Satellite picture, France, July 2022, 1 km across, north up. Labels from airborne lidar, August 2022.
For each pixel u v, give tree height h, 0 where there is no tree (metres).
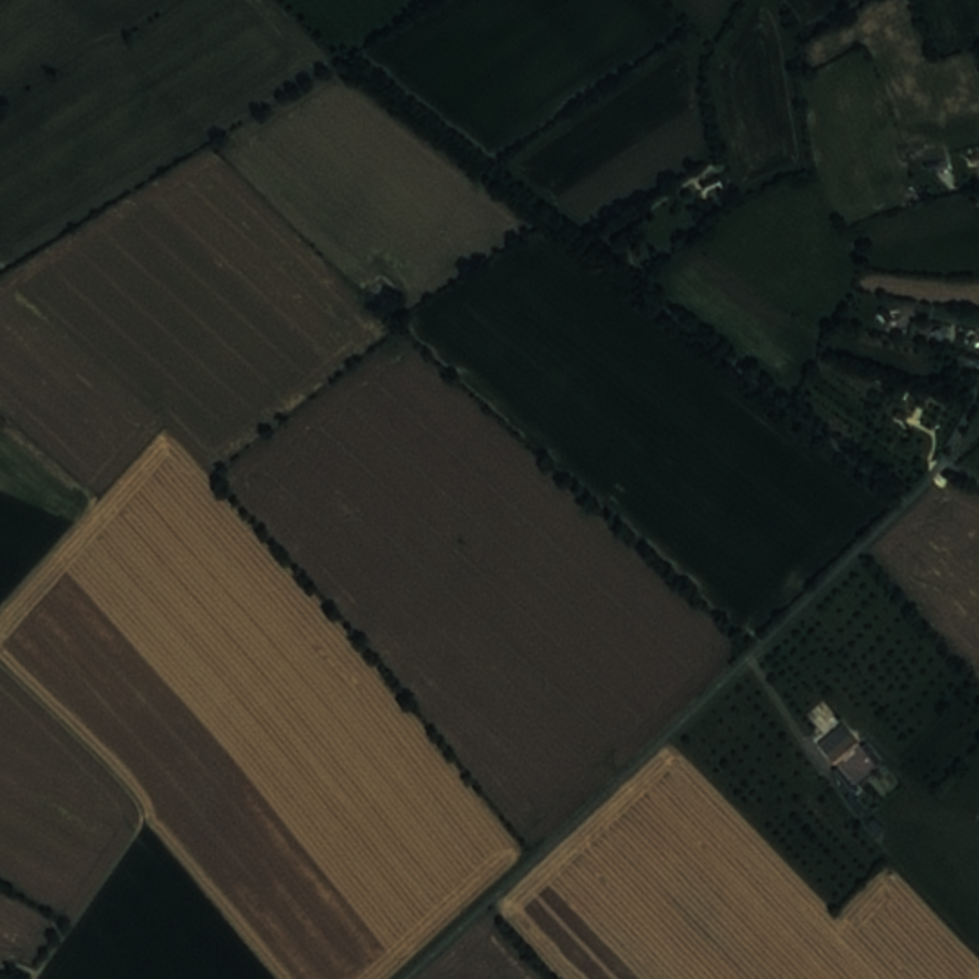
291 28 0
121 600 0
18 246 0
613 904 0
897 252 0
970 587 0
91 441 0
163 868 0
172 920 0
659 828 0
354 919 0
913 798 0
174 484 0
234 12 0
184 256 0
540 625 0
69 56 0
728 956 0
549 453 12
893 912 0
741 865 0
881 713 10
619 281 18
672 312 22
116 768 0
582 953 0
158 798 0
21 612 0
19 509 0
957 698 7
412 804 0
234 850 0
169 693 0
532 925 0
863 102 0
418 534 0
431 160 0
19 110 0
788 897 0
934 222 0
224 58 0
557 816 0
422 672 0
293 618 0
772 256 0
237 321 0
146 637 0
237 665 0
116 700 0
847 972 0
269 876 0
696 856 0
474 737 0
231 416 0
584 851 0
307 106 0
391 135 0
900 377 14
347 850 0
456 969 0
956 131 0
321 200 0
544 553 0
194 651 0
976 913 0
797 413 25
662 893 0
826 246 0
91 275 0
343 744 0
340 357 0
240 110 0
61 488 0
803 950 0
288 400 0
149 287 0
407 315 14
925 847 0
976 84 0
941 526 0
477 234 0
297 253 0
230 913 0
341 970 0
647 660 0
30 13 0
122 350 0
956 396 17
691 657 0
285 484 0
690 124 0
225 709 0
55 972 0
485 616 0
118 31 0
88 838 0
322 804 0
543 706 0
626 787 0
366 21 0
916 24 12
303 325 0
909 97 0
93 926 0
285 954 0
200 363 0
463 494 0
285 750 0
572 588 0
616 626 0
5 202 0
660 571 13
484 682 0
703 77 9
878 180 0
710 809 0
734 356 16
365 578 0
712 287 0
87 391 0
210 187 0
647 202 17
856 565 0
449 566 0
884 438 6
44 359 0
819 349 6
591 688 0
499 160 11
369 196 0
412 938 0
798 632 7
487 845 0
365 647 12
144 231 0
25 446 0
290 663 0
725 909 0
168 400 0
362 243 0
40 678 0
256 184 0
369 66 12
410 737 0
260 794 0
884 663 5
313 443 0
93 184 0
